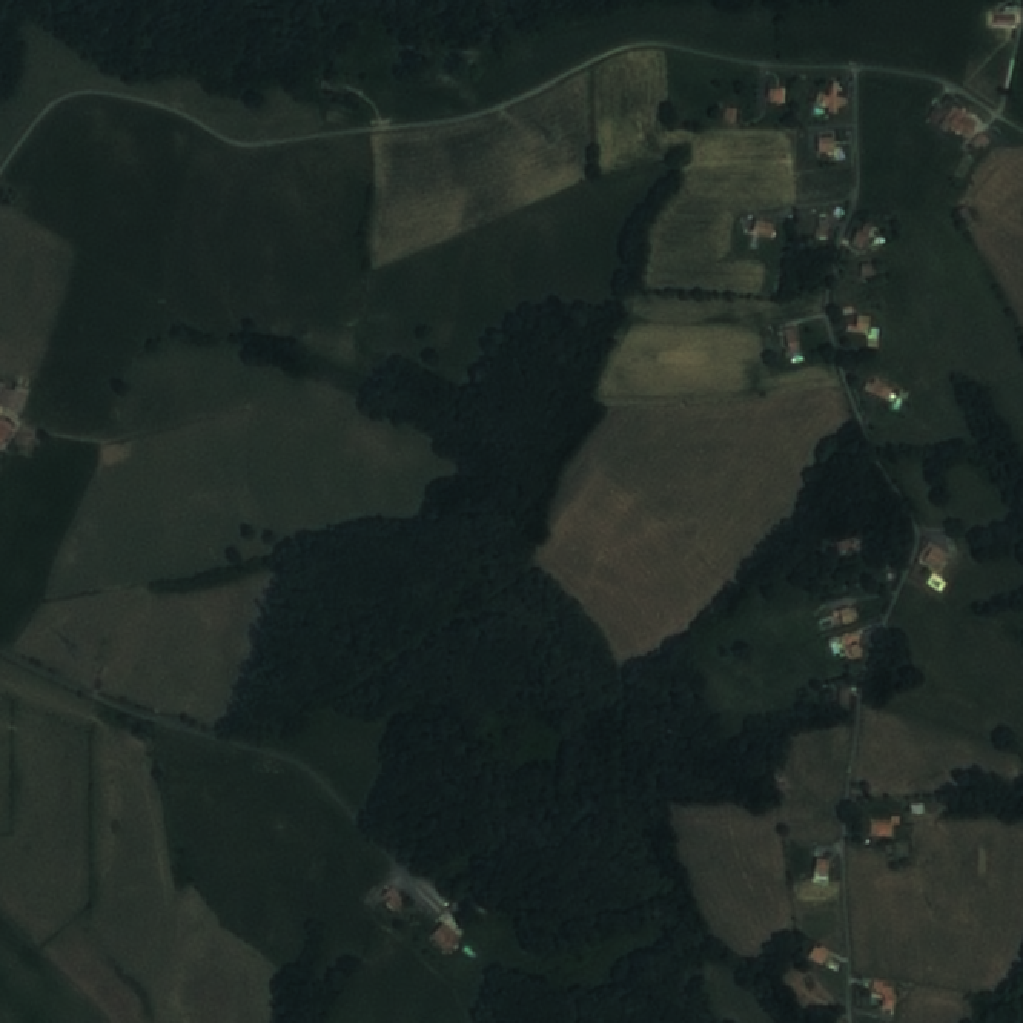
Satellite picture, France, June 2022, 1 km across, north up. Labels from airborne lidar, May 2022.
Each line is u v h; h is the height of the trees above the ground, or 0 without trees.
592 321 21
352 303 0
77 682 0
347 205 0
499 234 0
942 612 0
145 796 0
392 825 28
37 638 0
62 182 0
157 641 0
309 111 0
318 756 0
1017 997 22
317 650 28
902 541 23
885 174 0
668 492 0
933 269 0
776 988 20
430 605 24
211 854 0
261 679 21
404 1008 0
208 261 0
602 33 0
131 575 0
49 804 0
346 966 19
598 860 28
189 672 0
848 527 22
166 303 0
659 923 23
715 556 0
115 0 26
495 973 21
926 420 0
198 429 0
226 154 0
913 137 0
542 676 22
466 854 19
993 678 0
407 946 0
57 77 0
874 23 0
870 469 10
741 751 19
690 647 21
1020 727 0
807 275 16
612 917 24
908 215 0
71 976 0
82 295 0
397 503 0
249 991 0
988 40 0
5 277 0
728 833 0
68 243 0
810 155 0
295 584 24
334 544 26
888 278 7
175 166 0
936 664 0
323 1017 17
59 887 0
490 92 0
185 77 7
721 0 15
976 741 0
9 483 0
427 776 27
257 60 26
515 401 20
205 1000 0
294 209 0
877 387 0
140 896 0
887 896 0
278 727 19
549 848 29
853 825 12
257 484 0
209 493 0
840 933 0
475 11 16
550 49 0
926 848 0
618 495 0
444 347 0
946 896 0
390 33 11
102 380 0
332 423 0
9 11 22
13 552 0
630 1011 23
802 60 0
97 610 0
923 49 0
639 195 0
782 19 7
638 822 21
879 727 0
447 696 22
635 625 0
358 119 0
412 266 0
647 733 23
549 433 21
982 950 0
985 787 23
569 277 0
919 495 0
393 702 23
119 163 0
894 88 0
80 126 0
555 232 0
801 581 21
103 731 0
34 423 0
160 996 0
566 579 0
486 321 0
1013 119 0
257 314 0
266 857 0
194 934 0
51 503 0
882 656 16
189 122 0
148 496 0
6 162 0
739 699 0
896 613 0
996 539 25
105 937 0
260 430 0
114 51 19
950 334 0
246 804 0
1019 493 26
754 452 0
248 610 0
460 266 0
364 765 0
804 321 0
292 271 0
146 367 0
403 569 28
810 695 7
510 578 18
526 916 24
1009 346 0
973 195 0
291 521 0
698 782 20
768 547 13
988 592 0
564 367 25
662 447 0
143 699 0
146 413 0
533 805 27
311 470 0
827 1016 20
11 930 0
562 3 20
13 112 0
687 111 0
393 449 0
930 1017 0
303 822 0
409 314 0
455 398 20
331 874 0
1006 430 17
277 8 26
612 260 0
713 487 0
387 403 23
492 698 30
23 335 0
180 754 0
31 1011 0
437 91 0
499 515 21
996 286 6
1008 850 0
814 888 0
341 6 27
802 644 0
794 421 0
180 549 0
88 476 0
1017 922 0
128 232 0
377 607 24
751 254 0
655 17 0
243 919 0
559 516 0
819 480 13
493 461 25
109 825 0
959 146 0
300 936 0
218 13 25
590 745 16
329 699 20
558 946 25
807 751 0
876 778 0
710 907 0
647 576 0
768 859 0
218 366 0
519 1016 26
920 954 0
